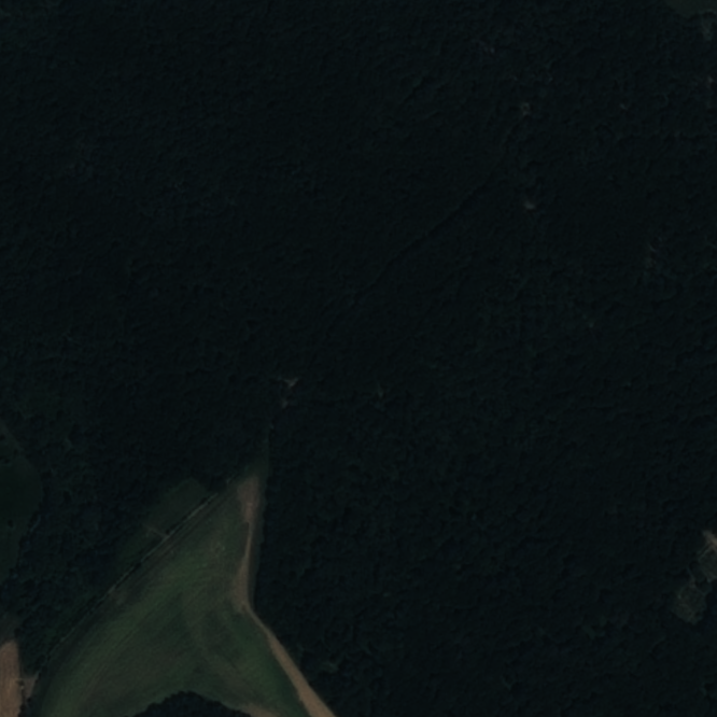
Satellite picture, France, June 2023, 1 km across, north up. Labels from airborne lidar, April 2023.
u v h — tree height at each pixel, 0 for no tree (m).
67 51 24
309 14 14
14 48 20
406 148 20
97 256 21
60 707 0
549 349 23
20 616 14
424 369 21
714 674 22
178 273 17
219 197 21
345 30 18
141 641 0
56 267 20
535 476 21
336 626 18
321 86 20
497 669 20
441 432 21
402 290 21
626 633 18
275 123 22
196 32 17
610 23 17
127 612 0
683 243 24
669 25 16
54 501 24
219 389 20
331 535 21
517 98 19
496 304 22
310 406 18
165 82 19
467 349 17
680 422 23
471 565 22
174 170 18
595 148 20
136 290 21
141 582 0
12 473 0
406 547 22
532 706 18
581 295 22
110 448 22
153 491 21
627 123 17
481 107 21
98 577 28
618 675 20
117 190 18
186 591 0
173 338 20
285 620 17
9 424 17
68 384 17
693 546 19
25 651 6
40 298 17
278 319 19
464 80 20
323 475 20
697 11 0
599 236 23
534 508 22
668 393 21
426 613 23
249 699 0
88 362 13
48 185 18
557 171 21
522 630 20
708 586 18
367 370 22
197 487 0
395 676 23
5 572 0
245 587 0
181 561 0
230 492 0
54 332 13
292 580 20
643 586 20
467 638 23
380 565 22
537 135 22
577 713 19
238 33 17
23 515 0
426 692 22
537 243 24
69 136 21
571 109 17
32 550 12
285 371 20
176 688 0
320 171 21
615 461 24
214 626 0
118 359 17
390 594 24
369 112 21
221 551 0
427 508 22
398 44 20
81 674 0
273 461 10
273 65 18
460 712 23
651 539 19
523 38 19
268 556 17
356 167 21
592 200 21
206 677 0
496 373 16
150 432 18
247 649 0
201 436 19
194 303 21
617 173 17
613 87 17
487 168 18
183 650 0
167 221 18
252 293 20
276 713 0
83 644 0
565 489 24
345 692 20
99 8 23
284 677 0
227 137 21
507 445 23
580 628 20
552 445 21
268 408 18
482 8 16
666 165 23
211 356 18
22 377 20
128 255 16
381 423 19
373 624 26
